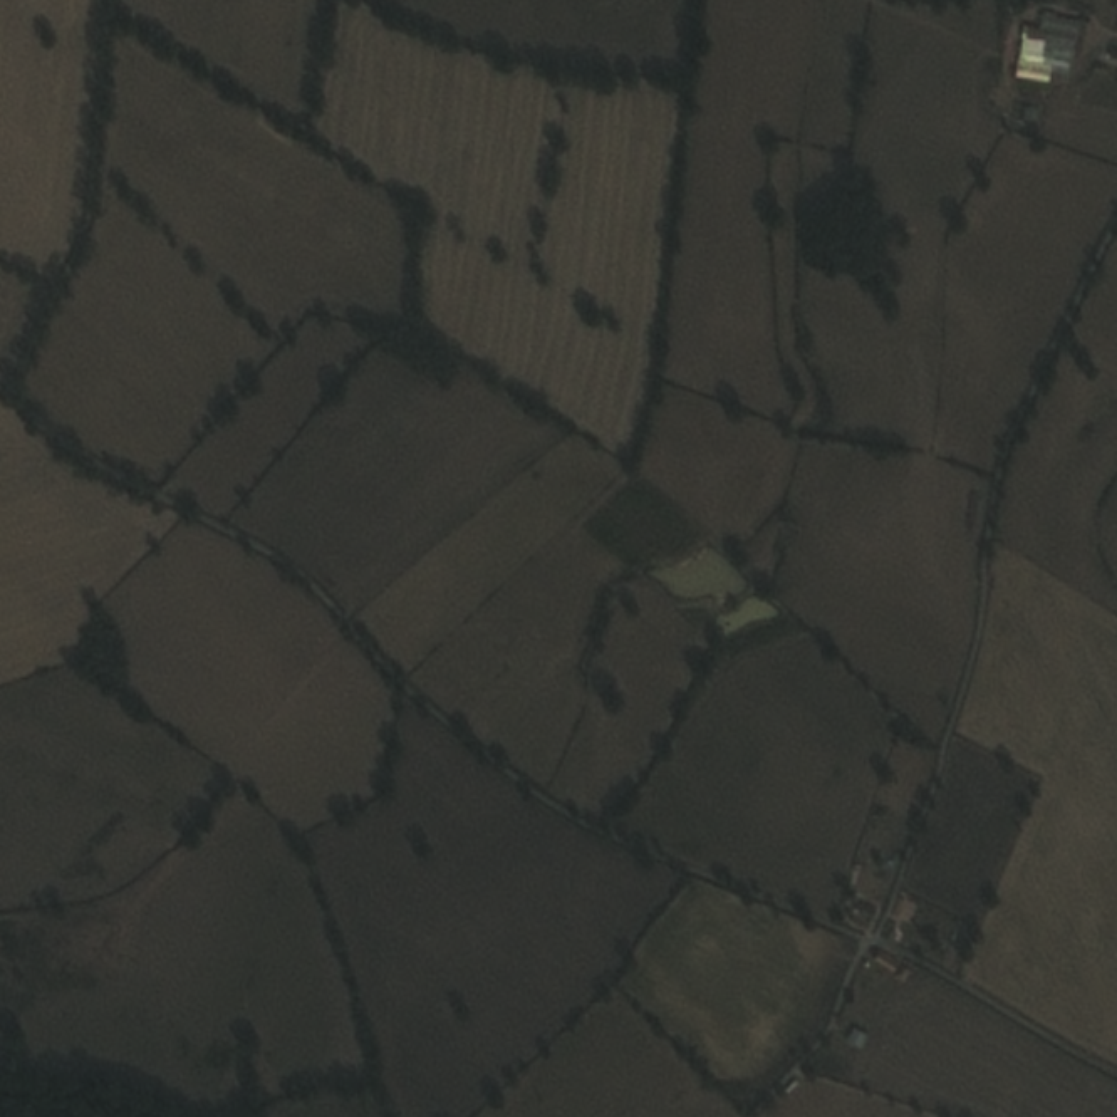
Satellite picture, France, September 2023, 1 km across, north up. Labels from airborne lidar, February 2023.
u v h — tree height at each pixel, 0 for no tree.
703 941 0
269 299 0
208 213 0
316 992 0
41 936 0
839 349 0
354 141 0
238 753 0
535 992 0
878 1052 0
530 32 0
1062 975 0
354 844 0
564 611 0
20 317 0
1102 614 0
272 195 0
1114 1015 0
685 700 13
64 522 0
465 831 0
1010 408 0
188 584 0
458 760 0
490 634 0
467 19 0
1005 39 0
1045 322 0
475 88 0
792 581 0
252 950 0
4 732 0
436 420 0
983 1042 0
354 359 10
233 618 0
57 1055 0
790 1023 0
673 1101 0
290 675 0
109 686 13
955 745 0
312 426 0
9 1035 20
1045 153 0
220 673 0
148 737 0
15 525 0
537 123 0
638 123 0
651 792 0
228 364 0
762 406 0
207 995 0
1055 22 0
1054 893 0
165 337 0
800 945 0
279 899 0
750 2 0
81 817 0
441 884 0
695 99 18
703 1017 0
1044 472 0
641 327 0
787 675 0
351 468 0
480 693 0
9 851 0
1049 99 0
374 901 0
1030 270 0
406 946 0
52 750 0
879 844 0
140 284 0
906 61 0
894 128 0
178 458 0
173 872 0
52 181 0
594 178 0
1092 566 0
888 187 0
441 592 0
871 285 11
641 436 15
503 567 0
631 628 0
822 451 0
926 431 0
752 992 0
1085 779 0
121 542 0
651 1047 0
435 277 0
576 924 0
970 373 0
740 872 0
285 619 0
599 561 0
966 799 0
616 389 0
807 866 0
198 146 0
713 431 0
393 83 0
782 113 0
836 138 0
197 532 0
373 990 0
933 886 0
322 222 0
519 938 0
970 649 0
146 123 0
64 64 0
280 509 0
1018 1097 0
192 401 0
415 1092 0
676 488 0
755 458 0
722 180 0
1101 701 0
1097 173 0
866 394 0
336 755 0
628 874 0
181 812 0
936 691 0
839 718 0
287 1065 0
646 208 0
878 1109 0
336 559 0
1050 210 0
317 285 0
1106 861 0
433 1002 0
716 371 0
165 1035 0
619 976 7
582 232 0
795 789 0
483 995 0
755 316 0
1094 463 0
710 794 0
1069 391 0
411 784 0
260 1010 0
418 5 0
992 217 0
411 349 19
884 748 0
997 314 0
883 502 0
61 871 0
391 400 0
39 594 0
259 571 0
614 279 0
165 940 0
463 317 0
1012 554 0
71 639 0
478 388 0
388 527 0
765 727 0
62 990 0
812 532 0
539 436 0
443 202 0
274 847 0
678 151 11
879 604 0
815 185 0
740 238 0
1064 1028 0
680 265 0
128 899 0
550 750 0
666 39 0
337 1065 0
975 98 0
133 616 0
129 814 0
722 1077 0
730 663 0
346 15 0
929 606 0
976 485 0
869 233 21
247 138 0
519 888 0
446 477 0
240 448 0
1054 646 0
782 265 0
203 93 0
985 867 0
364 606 0
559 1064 0
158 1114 19
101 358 0
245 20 0
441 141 0
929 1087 0
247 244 0
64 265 17
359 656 0
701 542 0
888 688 0
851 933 0
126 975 0
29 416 14
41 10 0
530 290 0
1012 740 0
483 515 0
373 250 0
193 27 0
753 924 0
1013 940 0
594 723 0
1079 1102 0
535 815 0
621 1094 0
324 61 17
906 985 0
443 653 0
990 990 0
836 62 0
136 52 0
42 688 0
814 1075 10
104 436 0
